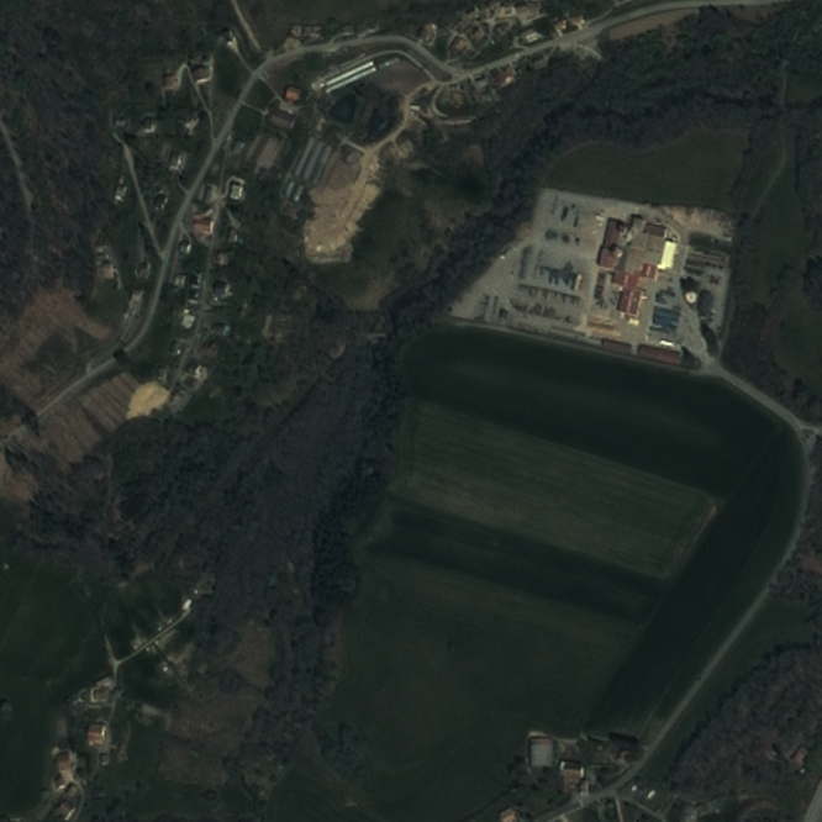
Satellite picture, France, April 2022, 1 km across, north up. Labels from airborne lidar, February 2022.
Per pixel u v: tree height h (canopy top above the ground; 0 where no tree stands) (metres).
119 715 0
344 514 27
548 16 0
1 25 23
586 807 0
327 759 12
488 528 0
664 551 0
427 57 0
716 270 0
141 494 8
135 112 0
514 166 11
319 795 0
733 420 0
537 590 0
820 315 12
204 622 11
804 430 0
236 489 9
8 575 0
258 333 0
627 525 0
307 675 10
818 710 22
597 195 0
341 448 15
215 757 0
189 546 12
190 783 0
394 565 0
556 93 22
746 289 21
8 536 0
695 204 0
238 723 0
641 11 0
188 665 0
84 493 29
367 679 0
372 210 0
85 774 12
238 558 18
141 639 0
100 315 0
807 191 20
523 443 0
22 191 28
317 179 0
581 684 0
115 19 12
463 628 0
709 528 0
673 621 0
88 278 24
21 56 26
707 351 0
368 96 10
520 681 0
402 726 0
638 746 19
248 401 7
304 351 8
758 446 0
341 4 0
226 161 0
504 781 0
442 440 0
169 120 22
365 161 0
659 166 0
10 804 0
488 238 23
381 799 0
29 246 29
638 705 0
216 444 24
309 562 13
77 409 0
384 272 0
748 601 0
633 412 0
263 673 0
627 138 24
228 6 8
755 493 0
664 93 20
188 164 0
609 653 0
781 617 0
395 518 0
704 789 12
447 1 0
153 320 0
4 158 29
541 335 0
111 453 8
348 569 29
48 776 0
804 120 15
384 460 27
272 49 0
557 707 0
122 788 0
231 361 0
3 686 0
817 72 8
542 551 0
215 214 0
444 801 0
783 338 0
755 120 27
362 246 0
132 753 0
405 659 0
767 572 0
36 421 31
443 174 0
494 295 0
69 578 0
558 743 0
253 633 0
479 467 0
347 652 0
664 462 0
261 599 18
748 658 0
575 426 0
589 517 0
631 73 24
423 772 0
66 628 0
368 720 0
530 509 0
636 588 0
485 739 0
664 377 0
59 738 0
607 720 0
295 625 15
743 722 23
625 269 0
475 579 0
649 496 0
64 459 0
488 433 0
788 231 0
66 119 23
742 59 21
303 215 9
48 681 0
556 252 0
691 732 0
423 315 26
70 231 25
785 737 21
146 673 0
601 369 0
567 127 31
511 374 0
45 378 0
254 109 0
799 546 6
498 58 0
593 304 0
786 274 13
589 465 0
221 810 0
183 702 0
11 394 25
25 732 0
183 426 12
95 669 0
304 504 19
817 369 0
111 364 0
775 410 0
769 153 19
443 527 0
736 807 5
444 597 0
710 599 0
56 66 25
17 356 0
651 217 0
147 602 0
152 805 0
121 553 15
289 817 0
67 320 0
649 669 0
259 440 14
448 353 0
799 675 22
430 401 0
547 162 25
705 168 0
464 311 0
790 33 13
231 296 0
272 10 0
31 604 0
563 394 0
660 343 0
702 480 0
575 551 0
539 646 0
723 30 25
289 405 13
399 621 0
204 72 0
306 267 0
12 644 0
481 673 0
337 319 27
